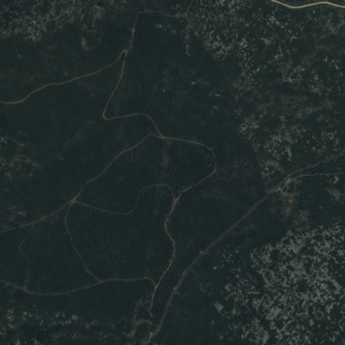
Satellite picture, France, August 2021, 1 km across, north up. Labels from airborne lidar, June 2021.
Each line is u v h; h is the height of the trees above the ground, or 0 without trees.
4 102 0
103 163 5
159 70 6
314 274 0
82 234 8
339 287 0
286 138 0
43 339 9
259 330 0
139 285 7
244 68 0
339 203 6
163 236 7
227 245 0
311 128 0
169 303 0
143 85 6
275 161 0
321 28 0
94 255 7
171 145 7
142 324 5
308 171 7
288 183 0
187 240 11
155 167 6
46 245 6
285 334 0
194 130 5
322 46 0
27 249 8
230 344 6
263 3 0
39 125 0
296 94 7
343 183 5
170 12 0
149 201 6
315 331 6
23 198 7
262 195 6
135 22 0
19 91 0
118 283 6
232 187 6
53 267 6
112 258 6
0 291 6
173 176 8
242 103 0
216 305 0
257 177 6
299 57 0
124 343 7
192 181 8
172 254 6
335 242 0
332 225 0
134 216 8
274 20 0
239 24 0
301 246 0
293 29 0
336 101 7
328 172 6
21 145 0
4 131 6
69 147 0
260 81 0
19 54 0
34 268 6
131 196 6
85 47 0
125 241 8
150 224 6
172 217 5
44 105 0
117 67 0
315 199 7
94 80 0
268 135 0
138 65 6
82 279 6
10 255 6
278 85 8
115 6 0
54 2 0
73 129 0
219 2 0
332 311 6
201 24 0
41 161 0
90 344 6
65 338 6
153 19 6
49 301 5
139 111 7
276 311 0
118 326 7
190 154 6
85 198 7
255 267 0
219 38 0
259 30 0
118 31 8
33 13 0
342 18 0
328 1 0
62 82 0
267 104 0
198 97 5
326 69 0
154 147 6
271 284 0
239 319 6
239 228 0
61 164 7
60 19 0
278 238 6
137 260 6
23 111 0
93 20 0
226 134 6
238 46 0
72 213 7
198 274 0
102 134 7
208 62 5
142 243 6
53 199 6
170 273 6
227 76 0
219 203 6
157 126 5
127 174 6
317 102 7
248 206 6
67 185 6
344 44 0
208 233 6
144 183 6
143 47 6
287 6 0
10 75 0
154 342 5
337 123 0
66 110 0
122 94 0
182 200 5
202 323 0
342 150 0
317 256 0
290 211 0
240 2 0
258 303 0
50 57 0
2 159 0
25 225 0
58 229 6
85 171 6
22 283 6
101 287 5
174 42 6
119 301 7
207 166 10
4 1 0
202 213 7
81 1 0
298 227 0
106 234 6
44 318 0
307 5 0
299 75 0
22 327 7
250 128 0
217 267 0
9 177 0
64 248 6
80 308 6
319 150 0
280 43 0
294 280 0
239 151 6
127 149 0
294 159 0
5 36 0
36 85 0
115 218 7
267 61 0
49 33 0
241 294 0
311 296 0
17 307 0
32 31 0
